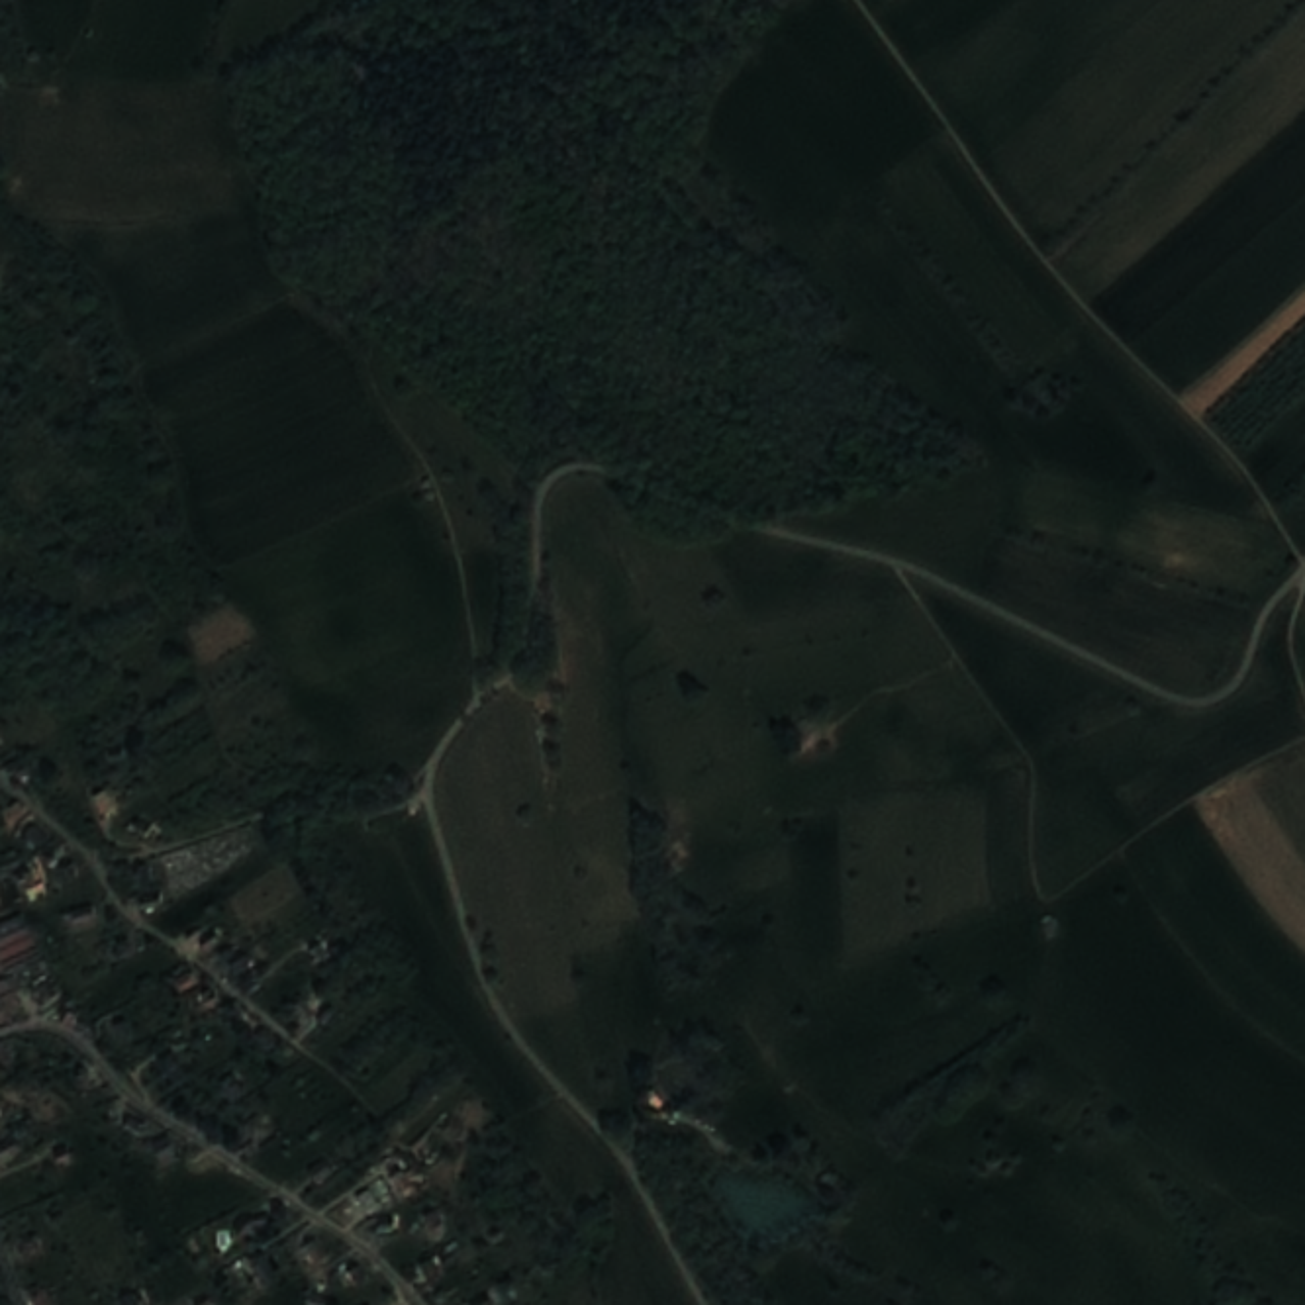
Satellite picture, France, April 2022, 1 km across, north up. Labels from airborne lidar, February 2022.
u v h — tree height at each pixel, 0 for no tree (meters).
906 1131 17
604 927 0
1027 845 0
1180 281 0
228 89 15
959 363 0
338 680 0
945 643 0
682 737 0
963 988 0
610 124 22
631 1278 0
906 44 0
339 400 0
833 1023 0
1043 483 0
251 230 0
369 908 7
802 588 0
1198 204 0
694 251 22
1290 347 9
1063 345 0
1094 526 0
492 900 0
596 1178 0
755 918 0
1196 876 0
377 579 0
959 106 0
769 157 0
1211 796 0
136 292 0
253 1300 0
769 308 18
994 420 0
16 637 10
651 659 0
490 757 0
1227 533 0
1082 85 0
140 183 0
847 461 16
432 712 0
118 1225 0
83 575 13
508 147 24
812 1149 9
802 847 0
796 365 20
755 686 0
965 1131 0
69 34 0
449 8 25
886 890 0
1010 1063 0
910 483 9
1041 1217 0
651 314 20
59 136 0
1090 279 0
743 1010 0
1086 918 0
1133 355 0
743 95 0
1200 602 0
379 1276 0
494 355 18
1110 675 0
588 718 0
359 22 25
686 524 26
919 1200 0
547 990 0
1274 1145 0
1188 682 0
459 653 0
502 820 0
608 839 0
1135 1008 0
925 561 0
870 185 0
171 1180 0
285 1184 0
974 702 0
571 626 0
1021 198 0
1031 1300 0
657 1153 18
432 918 0
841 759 0
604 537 0
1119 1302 0
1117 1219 0
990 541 0
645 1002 0
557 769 14
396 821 0
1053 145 0
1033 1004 0
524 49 22
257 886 0
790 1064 0
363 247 27
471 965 0
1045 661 0
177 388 0
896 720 0
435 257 24
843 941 0
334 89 25
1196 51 0
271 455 0
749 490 16
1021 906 0
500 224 21
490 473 0
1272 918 0
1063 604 0
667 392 17
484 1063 0
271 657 0
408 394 11
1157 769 0
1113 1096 0
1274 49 0
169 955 0
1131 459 0
